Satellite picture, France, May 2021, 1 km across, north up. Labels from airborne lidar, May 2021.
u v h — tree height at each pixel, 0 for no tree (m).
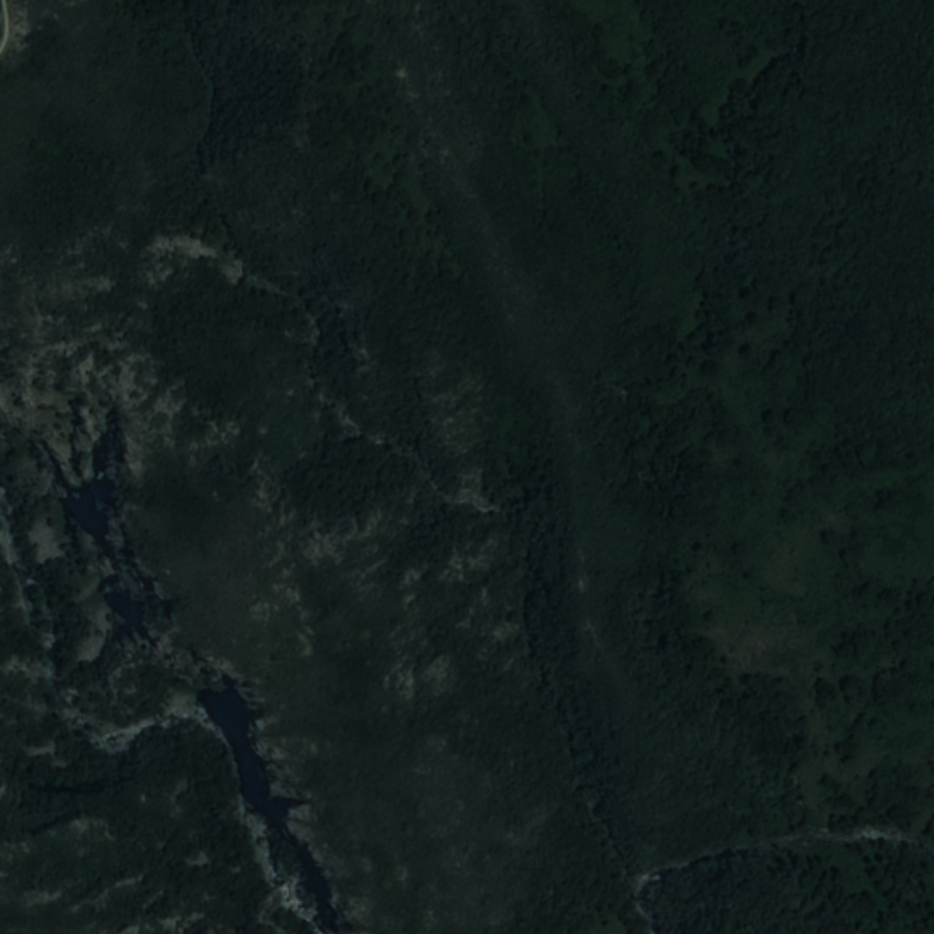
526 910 16
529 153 7
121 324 8
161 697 13
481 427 8
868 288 11
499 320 7
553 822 13
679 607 18
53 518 8
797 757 23
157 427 5
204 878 15
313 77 9
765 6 13
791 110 11
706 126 23
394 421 17
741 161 25
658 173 14
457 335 14
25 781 39
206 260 14
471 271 7
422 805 7
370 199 15
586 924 14
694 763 12
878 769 8
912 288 8
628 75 13
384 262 14
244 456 8
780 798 15
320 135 11
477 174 5
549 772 16
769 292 10
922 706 6
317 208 6
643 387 19
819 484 14
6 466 18
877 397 8
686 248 11
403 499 9
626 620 16
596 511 6
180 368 11
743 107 20
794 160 12
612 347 11
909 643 6
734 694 21
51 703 24
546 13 8
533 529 8
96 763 16
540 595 18
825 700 9
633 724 8
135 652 7
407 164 20
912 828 11
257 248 8
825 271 14
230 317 13
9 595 11
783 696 16
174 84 6
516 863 9
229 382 9
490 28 9
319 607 7
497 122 6
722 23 11
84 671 17
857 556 8
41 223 8
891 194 15
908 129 12
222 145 11
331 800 5
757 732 16
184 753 16
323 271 12
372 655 7
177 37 14
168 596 6
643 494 21
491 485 15
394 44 8
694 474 25
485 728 9
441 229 11
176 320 7
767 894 13
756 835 18
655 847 8
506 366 8
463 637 10
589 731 18
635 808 7
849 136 8
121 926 6
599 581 9
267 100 12
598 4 0
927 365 12
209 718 0
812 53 20
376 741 6
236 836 8
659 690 14
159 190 13
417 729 6
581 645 6
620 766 16
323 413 5
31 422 0
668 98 15
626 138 6
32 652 6
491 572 9
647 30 6
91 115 7
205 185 8
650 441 16
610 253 11
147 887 13
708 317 20
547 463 12
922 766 7
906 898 14
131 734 0
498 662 7
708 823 16
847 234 8
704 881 16
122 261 9
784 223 10
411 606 8
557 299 10
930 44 15
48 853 7
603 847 14
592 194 8
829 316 12
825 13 13
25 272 6
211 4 13
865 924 13
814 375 11
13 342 6
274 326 18
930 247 10
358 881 5
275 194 6
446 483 15
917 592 6
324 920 15
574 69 14
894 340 10
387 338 9
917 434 15
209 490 5
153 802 5
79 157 8
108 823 7
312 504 12
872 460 17
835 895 17
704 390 8
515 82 10
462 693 8
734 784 14
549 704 21
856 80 10
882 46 11
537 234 8
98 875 13
